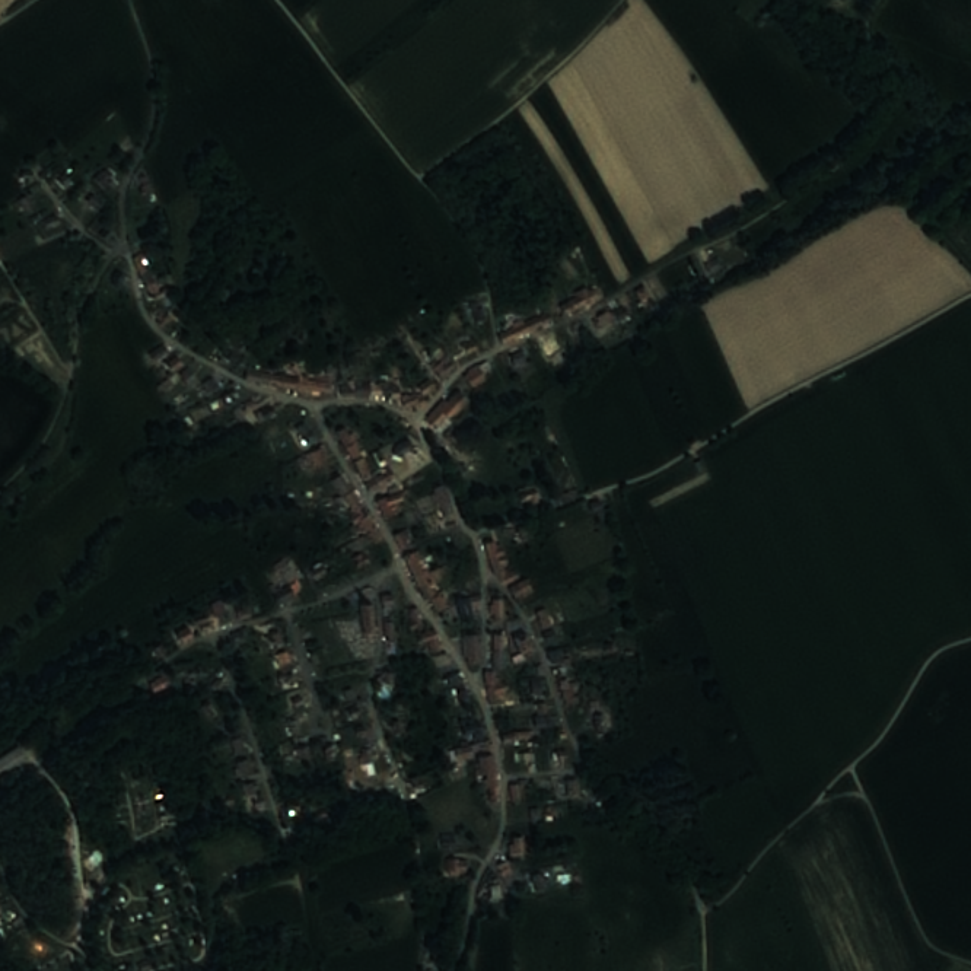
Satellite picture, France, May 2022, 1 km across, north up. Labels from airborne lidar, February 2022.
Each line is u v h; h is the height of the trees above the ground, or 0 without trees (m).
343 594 0
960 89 0
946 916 0
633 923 0
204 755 7
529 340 0
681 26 0
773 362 0
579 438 0
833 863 0
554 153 0
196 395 0
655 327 9
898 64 22
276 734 0
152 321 0
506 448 0
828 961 0
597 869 0
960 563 0
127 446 0
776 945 0
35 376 17
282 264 11
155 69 8
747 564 0
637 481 0
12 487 8
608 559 0
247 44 0
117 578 0
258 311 20
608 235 0
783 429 0
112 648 9
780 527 0
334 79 0
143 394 0
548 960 0
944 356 0
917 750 0
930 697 0
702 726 0
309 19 0
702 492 0
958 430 0
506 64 0
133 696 17
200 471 0
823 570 0
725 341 0
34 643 0
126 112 0
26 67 0
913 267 0
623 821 19
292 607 0
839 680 0
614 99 0
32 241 0
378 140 0
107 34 0
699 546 0
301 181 0
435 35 0
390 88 0
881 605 0
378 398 0
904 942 0
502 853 0
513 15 0
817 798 0
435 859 0
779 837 0
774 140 0
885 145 0
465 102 0
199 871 9
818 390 0
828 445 0
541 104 0
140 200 0
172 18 0
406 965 0
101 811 19
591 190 0
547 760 0
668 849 19
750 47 0
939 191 19
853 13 0
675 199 0
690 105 0
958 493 0
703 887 17
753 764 0
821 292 0
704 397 0
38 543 0
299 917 0
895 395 0
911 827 0
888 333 0
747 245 11
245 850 0
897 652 0
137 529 0
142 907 0
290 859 19
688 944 0
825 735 0
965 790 0
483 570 0
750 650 0
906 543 0
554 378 0
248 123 0
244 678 19
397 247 0
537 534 6
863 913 0
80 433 0
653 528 0
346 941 0
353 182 0
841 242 0
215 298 10
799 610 0
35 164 10
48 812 16
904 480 0
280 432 0
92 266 6
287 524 0
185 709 16
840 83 15
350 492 0
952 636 0
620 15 0
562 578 0
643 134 0
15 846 19
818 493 0
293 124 0
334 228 0
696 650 0
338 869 0
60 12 0
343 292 0
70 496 0
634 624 16
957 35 0
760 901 0
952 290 0
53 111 0
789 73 0
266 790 0
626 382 0
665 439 0
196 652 0
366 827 19
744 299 0
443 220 0
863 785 0
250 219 19
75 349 0
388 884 0
